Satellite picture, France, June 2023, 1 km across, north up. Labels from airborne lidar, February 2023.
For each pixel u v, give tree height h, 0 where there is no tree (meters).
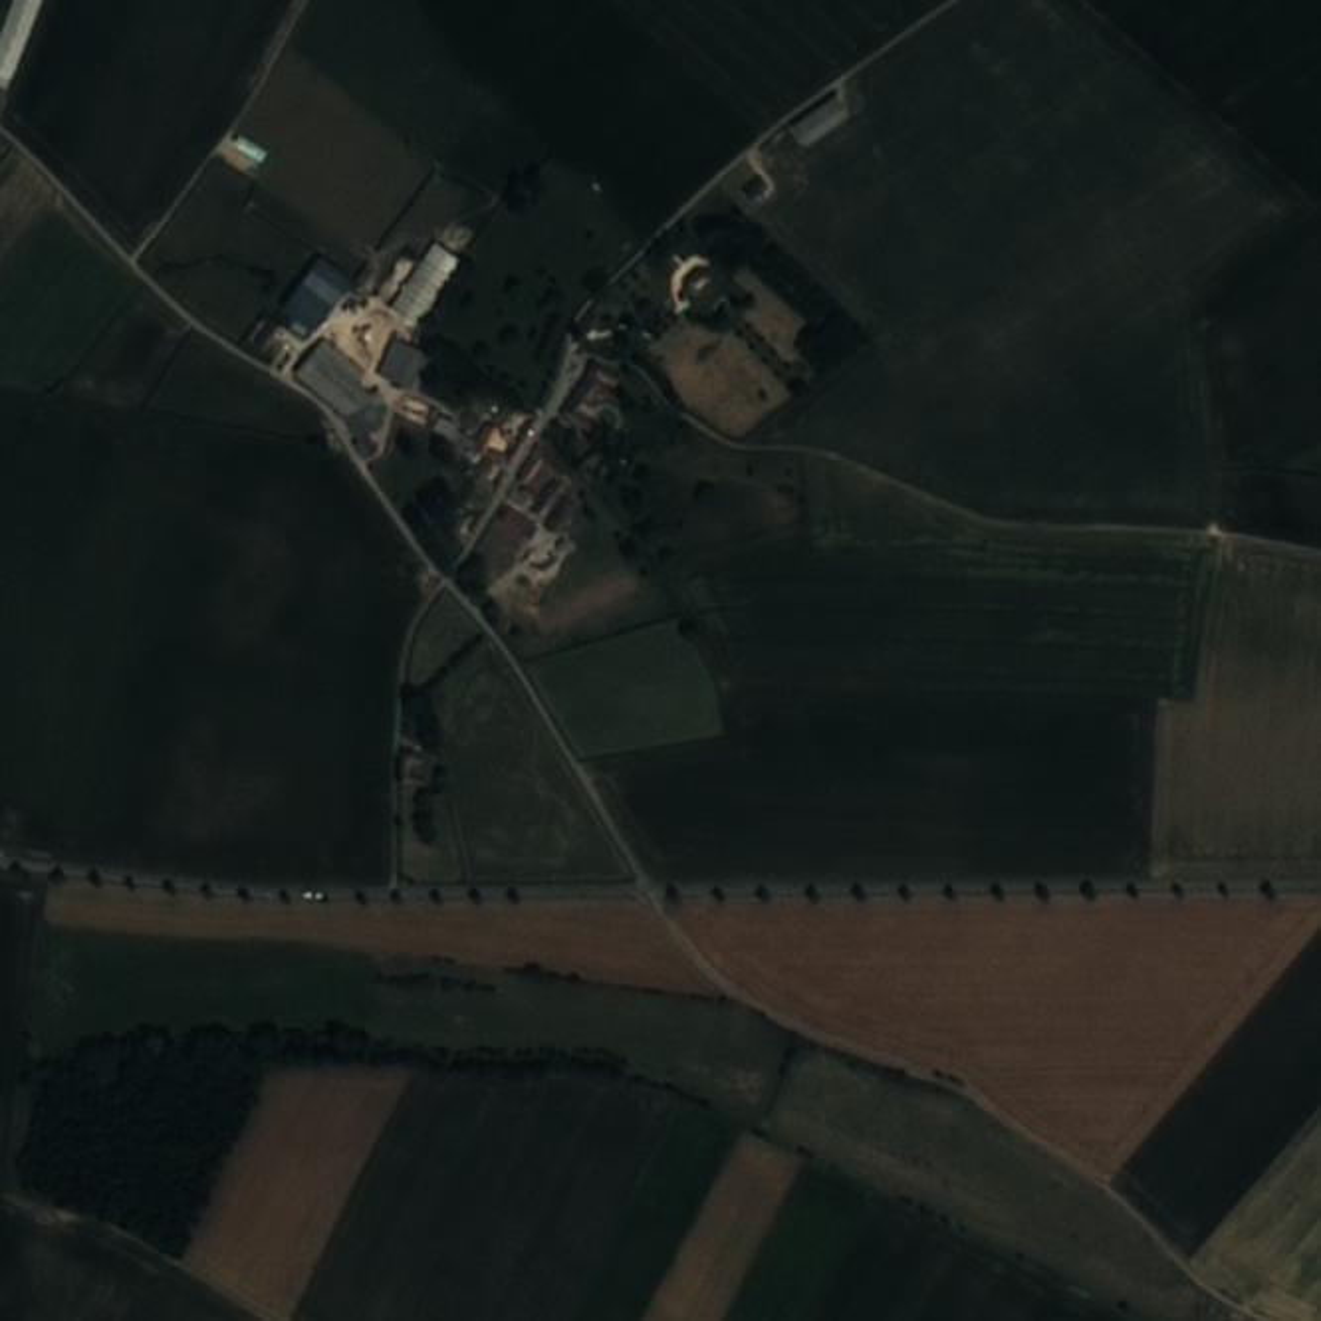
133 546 0
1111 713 0
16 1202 0
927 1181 0
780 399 0
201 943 0
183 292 0
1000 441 0
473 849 0
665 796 0
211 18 0
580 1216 0
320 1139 0
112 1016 0
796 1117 0
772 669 0
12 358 0
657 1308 0
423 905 0
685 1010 0
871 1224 0
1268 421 0
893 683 0
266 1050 21
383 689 0
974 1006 0
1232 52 0
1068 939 0
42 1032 0
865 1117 0
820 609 0
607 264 0
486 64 0
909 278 0
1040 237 0
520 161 0
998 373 0
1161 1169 0
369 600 0
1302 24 0
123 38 0
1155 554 0
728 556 0
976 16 0
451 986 7
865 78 0
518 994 0
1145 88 0
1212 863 0
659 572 0
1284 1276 0
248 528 0
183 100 0
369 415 0
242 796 0
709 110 0
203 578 0
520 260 0
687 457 0
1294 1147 0
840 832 0
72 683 0
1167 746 0
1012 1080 0
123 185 0
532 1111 0
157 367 0
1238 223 0
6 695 0
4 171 0
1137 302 0
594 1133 0
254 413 0
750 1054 0
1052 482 0
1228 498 0
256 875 0
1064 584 0
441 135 0
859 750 0
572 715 0
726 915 0
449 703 0
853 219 0
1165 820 0
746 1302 0
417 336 0
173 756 0
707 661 0
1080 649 0
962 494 0
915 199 0
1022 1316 0
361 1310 0
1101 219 0
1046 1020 0
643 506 15
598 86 0
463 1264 0
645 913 0
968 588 0
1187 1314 0
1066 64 0
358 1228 0
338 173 0
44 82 0
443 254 7
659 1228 0
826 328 14
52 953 0
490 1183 0
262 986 0
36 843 0
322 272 0
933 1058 0
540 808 0
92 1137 11
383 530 0
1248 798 0
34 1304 0
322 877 0
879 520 0
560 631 0
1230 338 0
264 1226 0
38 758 0
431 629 0
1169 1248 0
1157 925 0
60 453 0
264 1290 0
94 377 0
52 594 0
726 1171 0
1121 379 0
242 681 0
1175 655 0
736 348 0
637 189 0
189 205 0
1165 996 0
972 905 0
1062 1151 0
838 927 0
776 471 0
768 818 0
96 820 0
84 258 0
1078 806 0
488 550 0
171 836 0
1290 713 0
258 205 0
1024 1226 0
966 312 0
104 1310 0
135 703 0
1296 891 0
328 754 0
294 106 0
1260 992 0
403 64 0
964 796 0
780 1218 0
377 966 0
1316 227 0
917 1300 0
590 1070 12
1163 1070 0
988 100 0
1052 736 0
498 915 0
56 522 0
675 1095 6
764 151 0
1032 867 0
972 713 0
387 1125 0
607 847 0
